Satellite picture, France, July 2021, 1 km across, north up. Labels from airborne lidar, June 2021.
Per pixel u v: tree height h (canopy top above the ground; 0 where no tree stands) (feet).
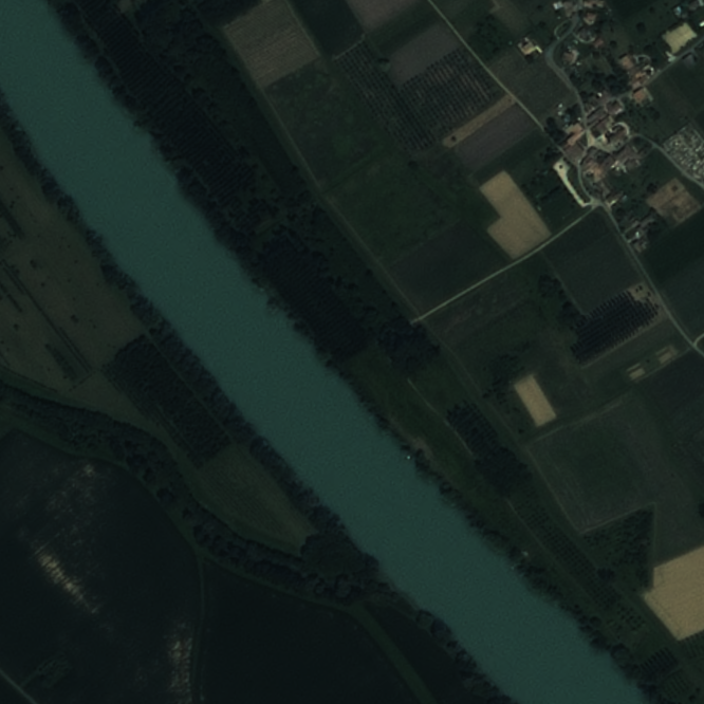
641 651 0
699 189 0
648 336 0
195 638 0
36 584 0
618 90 50
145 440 53
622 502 0
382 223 0
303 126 0
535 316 0
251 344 0
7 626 0
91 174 0
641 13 0
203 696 0
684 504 0
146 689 0
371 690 0
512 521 0
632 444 0
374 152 0
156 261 0
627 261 0
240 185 48
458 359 0
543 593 32
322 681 0
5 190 0
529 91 0
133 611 0
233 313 0
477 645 0
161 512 0
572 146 0
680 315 0
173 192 0
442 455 0
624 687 0
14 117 52
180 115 68
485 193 0
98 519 0
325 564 68
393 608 0
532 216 0
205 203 96
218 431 31
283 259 99
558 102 0
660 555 0
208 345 0
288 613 0
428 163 0
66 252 0
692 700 33
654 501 0
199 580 0
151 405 23
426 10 0
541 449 0
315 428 0
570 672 0
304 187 26
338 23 0
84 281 0
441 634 93
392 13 0
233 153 55
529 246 0
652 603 0
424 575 0
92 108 0
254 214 53
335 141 0
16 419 0
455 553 0
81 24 23
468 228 0
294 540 0
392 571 0
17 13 0
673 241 0
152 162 0
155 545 0
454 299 0
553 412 0
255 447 74
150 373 39
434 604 0
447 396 0
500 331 0
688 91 0
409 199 0
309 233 22
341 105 0
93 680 0
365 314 56
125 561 0
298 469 0
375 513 0
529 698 0
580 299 0
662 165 0
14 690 0
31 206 0
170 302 0
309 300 92
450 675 0
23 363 0
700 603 0
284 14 0
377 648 0
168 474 44
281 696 0
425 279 0
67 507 0
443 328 0
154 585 0
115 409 0
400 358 121
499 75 0
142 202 0
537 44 0
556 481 0
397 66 0
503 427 0
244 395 0
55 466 0
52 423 48
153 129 27
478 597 0
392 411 0
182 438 26
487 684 28
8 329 0
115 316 0
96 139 0
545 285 43
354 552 69
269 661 0
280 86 0
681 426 0
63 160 0
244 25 0
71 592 0
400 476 0
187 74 35
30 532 0
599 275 0
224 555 69
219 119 31
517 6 0
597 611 0
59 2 63
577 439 0
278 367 0
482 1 0
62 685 0
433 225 0
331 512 60
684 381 0
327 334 78
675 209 0
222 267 0
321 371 0
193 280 0
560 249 0
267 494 0
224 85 50
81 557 0
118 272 88
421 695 0
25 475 0
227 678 0
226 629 0
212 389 46
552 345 0
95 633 0
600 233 0
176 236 0
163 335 48
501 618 0
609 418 0
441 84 26
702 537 0
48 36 0
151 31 89
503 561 0
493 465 77
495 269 0
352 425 0
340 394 0
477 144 0
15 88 0
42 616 0
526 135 0
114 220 0
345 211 0
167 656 0
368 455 0
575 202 23
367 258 0
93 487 0
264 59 0
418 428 0
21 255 0
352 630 0
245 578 0
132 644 0
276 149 49
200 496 0
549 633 0
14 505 0
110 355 0
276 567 85
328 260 71
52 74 0
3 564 0
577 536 0
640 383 0
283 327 0
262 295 0
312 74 0
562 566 0
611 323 51
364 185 0
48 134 0
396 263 0
